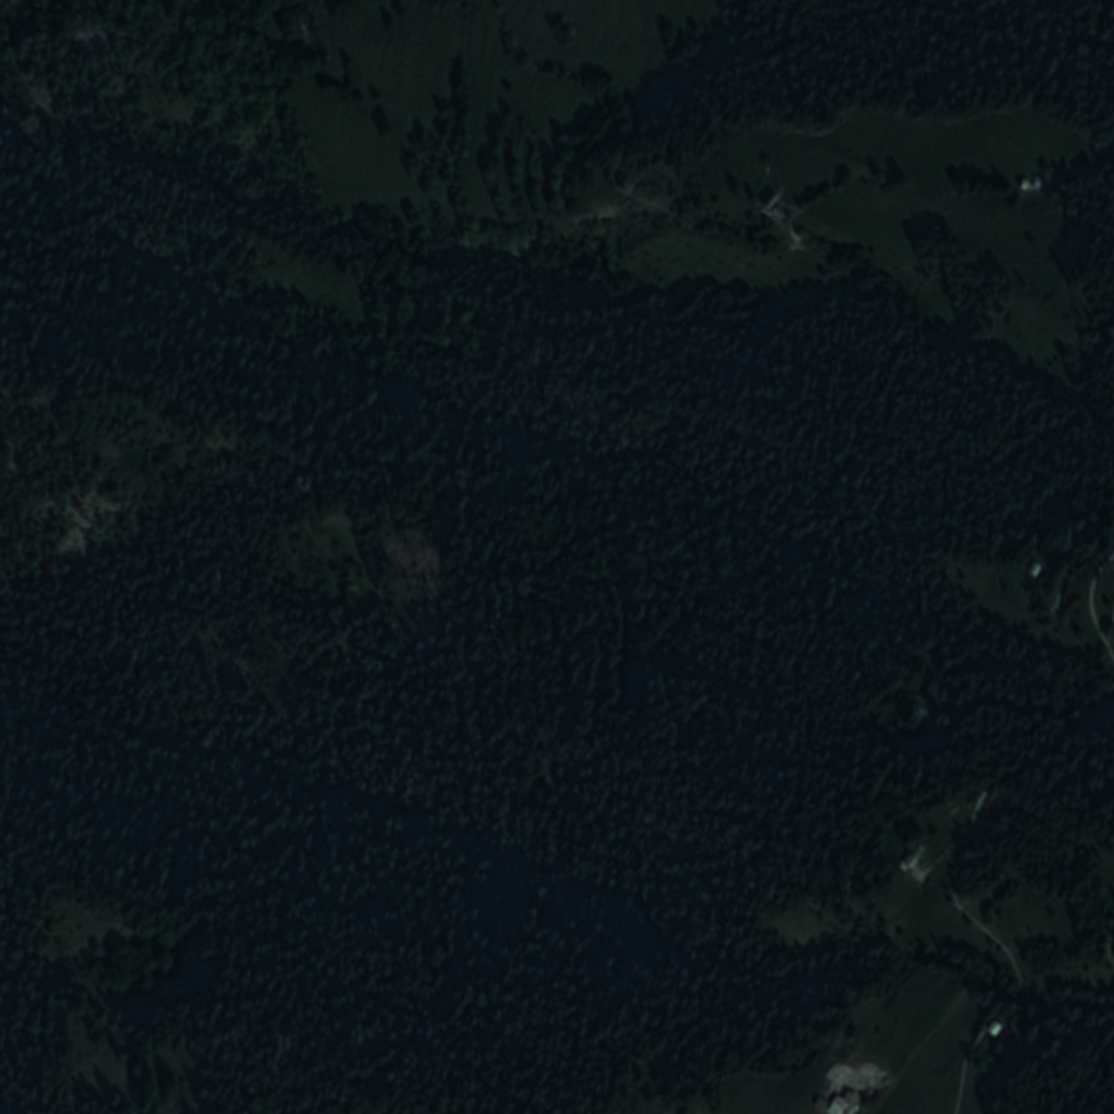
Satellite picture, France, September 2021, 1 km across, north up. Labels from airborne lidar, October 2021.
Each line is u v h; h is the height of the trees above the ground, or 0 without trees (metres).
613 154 12
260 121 19
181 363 18
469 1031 26
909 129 0
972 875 16
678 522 23
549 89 0
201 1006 23
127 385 27
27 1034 29
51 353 9
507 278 30
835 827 19
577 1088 21
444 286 13
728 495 25
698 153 20
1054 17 32
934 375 25
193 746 8
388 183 0
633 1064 19
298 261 21
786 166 0
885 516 21
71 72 11
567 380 14
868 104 17
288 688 7
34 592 31
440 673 20
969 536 23
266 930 32
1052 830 16
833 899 22
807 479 20
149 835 28
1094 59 23
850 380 25
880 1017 0
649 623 23
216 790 28
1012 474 25
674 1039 22
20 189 28
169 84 14
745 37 21
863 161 0
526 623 13
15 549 20
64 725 27
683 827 18
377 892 24
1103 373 24
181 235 16
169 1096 14
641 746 18
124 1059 11
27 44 17
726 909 16
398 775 22
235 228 22
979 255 0
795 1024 32
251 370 19
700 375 24
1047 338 0
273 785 35
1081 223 20
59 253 23
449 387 33
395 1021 33
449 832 13
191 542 22
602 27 0
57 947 6
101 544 24
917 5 23
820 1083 0
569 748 23
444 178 13
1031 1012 17
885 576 21
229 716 25
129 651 27
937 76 10
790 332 36
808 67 26
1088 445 28
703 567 9
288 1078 26
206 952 25
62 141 11
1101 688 25
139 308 29
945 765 27
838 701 21
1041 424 27
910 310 16
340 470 20
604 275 10
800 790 24
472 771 14
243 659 25
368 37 0
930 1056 0
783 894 26
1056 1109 25
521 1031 25
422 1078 32
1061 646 0
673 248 0
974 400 13
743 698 21
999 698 21
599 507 20
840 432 32
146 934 23
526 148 0
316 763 26
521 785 29
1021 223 0
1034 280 0
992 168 0
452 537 17
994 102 20
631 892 27
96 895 19
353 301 0
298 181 9
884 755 24
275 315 28
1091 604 0
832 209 0
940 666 23
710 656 22
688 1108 23
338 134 0
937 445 23
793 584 29
